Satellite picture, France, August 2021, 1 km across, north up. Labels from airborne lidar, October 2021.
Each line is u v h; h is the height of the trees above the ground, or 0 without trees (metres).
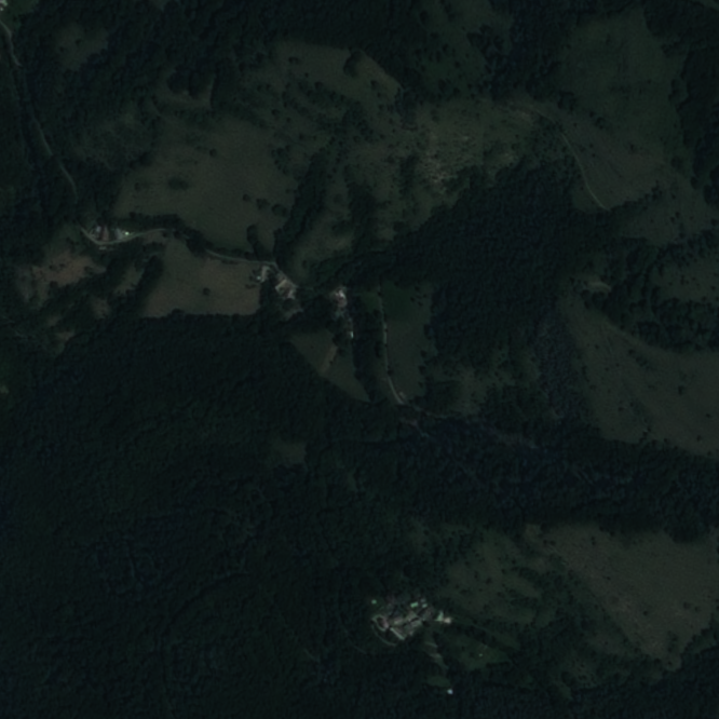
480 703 28
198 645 11
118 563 34
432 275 18
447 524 9
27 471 17
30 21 21
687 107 16
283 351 31
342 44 17
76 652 23
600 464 29
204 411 9
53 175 23
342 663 24
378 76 0
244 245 0
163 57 14
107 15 17
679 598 0
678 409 0
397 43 28
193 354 35
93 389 25
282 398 25
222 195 0
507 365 12
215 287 0
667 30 13
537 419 5
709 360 0
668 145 7
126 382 29
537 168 6
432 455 32
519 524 25
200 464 28
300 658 18
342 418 32
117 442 7
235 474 23
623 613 0
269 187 0
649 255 15
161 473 21
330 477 10
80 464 20
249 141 0
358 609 15
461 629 16
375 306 0
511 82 15
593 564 0
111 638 19
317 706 34
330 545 18
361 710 32
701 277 0
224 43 18
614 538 10
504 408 14
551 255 29
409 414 26
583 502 19
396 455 34
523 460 26
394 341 0
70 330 13
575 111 8
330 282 15
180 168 0
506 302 16
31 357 23
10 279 7
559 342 15
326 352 0
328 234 0
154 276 19
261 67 13
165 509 27
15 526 17
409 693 28
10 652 20
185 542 30
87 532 26
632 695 26
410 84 22
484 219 28
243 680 23
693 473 17
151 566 34
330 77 0
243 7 21
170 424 10
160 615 20
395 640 11
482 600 0
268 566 23
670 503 23
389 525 7
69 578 28
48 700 30
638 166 0
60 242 0
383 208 9
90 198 6
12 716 27
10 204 12
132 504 10
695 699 26
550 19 22
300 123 0
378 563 20
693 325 13
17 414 27
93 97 18
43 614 22
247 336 31
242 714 24
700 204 0
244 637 14
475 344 13
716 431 0
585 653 13
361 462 22
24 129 8
